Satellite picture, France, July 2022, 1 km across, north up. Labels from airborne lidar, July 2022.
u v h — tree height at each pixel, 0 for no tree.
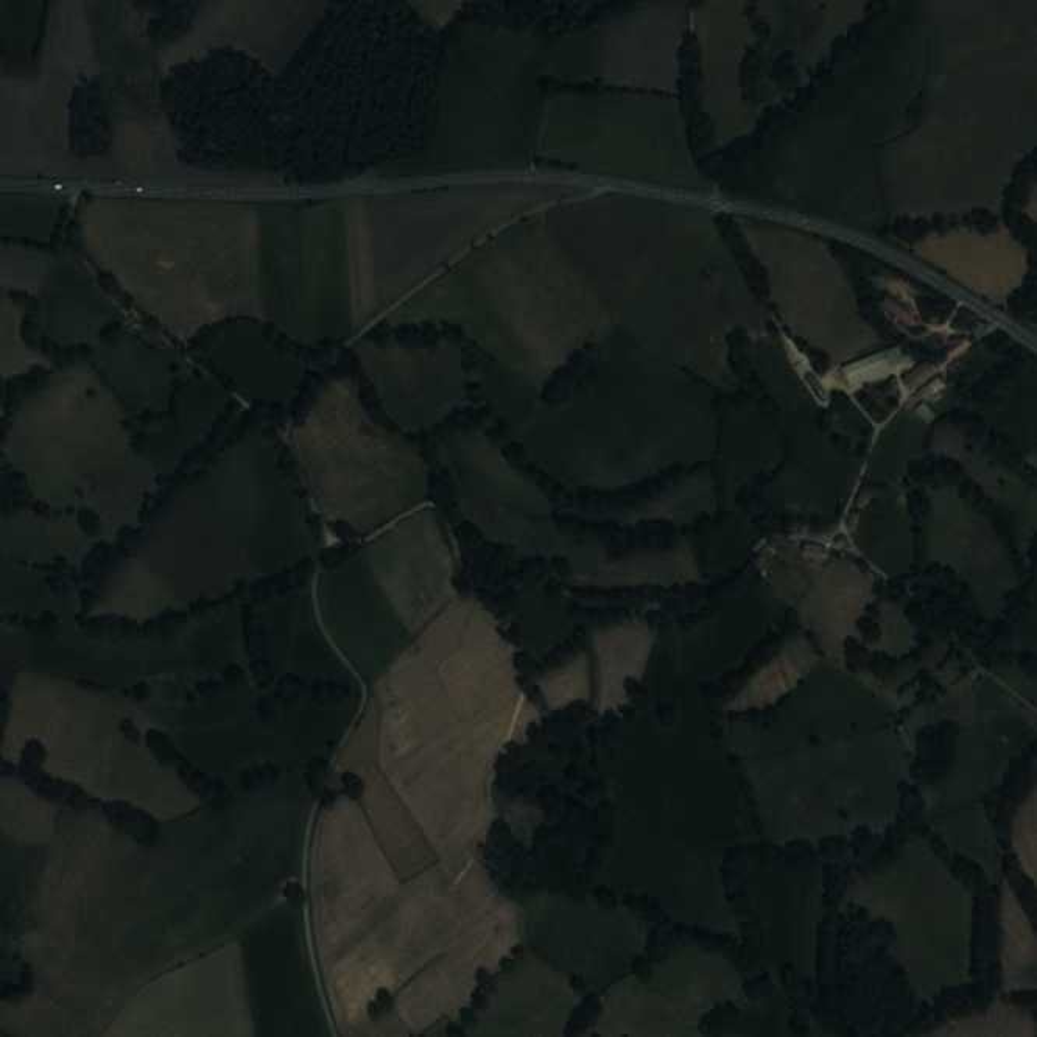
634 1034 0
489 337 0
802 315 0
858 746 0
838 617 0
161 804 0
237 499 0
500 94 0
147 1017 0
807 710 0
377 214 0
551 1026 0
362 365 17
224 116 18
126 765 0
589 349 11
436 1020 0
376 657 0
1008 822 20
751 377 23
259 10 0
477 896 0
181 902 0
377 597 0
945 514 0
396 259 0
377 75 20
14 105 0
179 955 0
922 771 15
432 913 0
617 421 0
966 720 0
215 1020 0
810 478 0
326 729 0
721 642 0
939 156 0
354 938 0
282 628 0
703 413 0
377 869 0
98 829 0
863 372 0
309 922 0
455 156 0
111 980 0
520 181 0
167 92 19
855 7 0
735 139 0
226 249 0
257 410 14
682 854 0
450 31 15
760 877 0
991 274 0
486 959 0
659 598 14
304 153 15
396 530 0
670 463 0
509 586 17
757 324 0
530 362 0
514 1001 0
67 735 0
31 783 19
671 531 25
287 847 0
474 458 0
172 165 0
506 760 17
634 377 0
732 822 0
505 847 11
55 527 0
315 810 0
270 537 0
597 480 0
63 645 0
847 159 0
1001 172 0
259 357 0
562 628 0
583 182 0
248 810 0
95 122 21
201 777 20
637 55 0
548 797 25
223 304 0
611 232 0
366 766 0
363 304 0
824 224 0
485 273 0
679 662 0
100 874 0
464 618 0
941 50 0
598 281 0
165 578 0
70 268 0
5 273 0
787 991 17
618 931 0
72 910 0
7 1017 0
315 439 0
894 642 0
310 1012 0
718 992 0
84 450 0
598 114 0
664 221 0
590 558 0
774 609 0
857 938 15
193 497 0
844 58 20
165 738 17
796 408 0
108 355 0
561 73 0
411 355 0
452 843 0
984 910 22
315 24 0
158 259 0
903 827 20
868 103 0
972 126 0
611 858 0
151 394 0
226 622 0
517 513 0
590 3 0
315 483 0
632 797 0
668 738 0
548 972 0
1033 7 0
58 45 0
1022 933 0
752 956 20
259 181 0
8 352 0
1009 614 13
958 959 0
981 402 23
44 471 0
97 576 23
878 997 17
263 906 0
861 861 17
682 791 0
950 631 16
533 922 0
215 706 0
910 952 0
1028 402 0
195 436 0
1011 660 17
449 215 0
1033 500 0
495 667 0
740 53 0
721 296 0
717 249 0
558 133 0
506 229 0
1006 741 0
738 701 0
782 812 0
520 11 17
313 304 0
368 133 25
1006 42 0
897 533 0
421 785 0
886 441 0
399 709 0
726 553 0
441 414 0
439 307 0
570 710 14
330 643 0
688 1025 0
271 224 0
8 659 0
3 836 0
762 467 0
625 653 0
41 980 0
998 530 8
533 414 0
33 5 0
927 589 8
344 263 0
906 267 0
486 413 27
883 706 0
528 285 0
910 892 0
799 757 0
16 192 0
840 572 0
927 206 0
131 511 0
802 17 0
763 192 0
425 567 0
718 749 0
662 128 0
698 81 16
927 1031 22
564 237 0
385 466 0
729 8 0
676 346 0
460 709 0
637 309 0
